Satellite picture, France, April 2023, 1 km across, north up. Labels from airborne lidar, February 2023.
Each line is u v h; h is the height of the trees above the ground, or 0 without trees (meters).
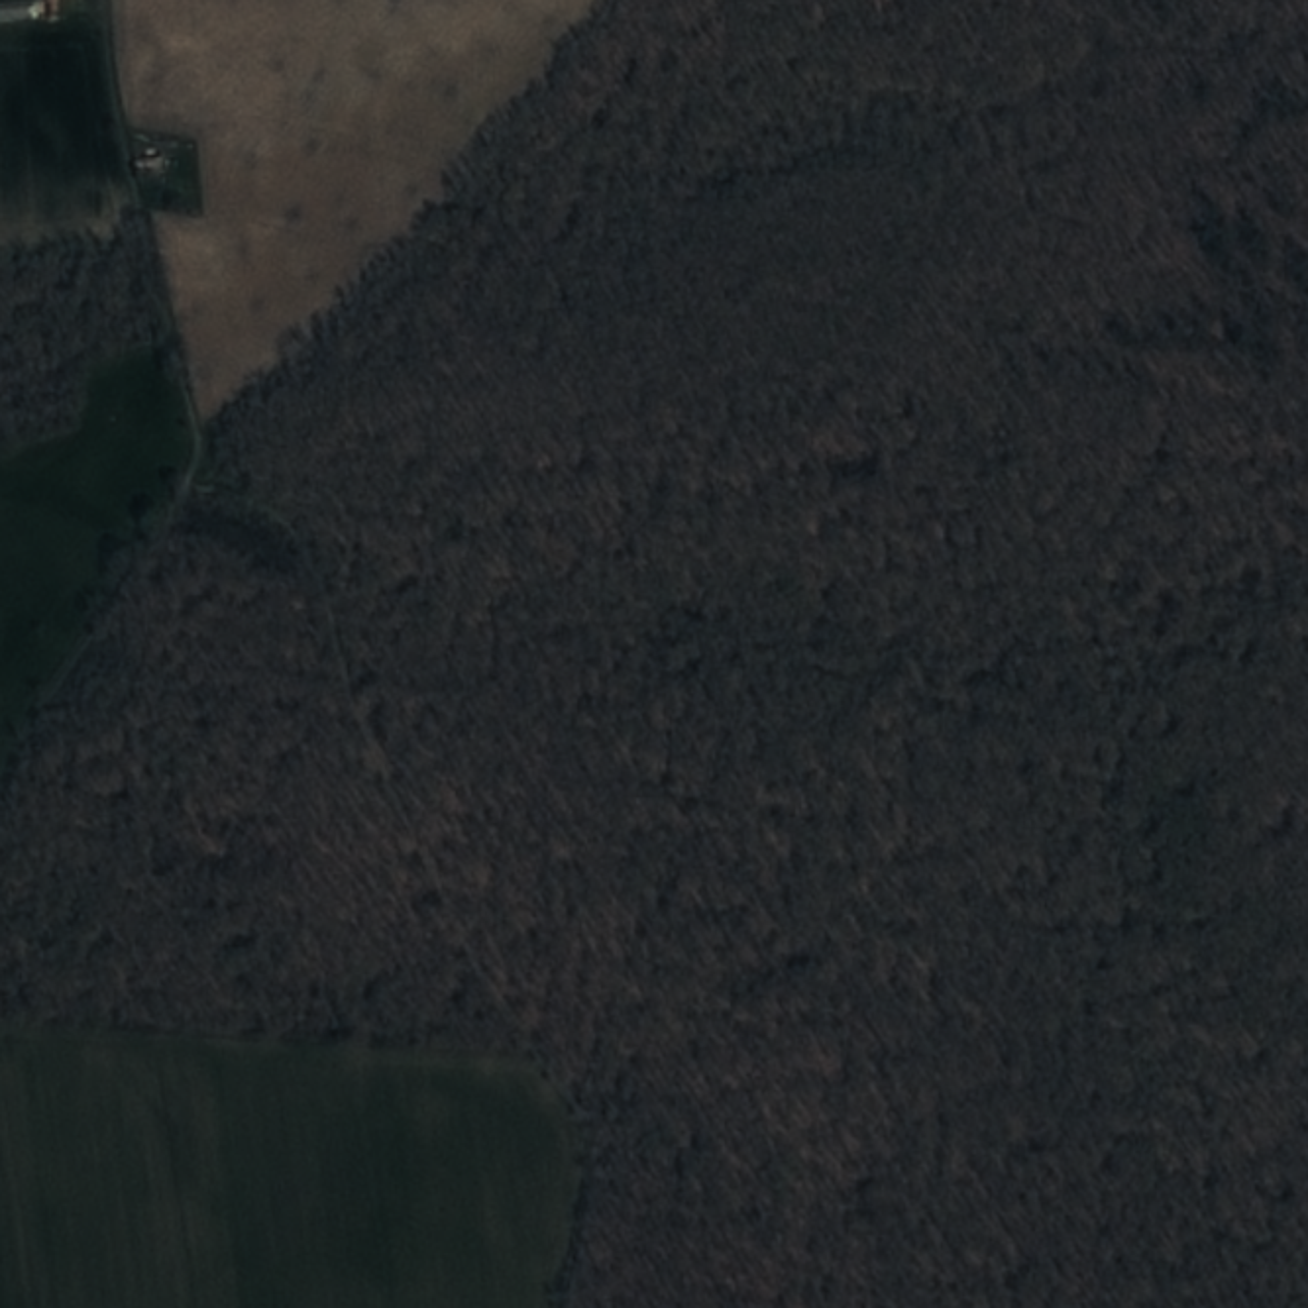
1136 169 16
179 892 23
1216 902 18
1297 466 20
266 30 0
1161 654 9
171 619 22
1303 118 22
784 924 28
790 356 15
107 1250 0
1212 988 23
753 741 24
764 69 23
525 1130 0
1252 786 16
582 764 22
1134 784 22
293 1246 0
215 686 19
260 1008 23
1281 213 27
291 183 0
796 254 17
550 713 19
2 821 19
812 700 25
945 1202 24
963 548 21
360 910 25
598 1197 17
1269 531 24
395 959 19
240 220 0
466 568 15
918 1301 23
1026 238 23
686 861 24
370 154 0
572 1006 21
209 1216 0
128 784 18
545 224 22
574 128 23
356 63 0
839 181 23
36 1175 0
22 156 0
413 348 21
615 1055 14
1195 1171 26
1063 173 17
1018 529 21
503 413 22
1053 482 22
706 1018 22
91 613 20
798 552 20
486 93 0
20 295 14
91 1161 0
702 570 25
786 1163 20
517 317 18
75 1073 0
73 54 0
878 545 27
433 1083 0
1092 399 23
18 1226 0
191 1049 0
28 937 19
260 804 18
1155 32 24
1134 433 20
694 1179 19
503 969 22
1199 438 21
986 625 19
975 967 26
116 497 0
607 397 24
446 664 12
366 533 24
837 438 26
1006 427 24
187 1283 0
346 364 23
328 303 0
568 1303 20
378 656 21
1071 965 27
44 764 19
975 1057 24
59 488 0
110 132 15
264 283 0
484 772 22
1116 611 16
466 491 19
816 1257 24
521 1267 0
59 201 0
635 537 22
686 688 18
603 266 20
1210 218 29
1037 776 21
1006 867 26
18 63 0
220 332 0
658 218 21
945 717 26
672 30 23
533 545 26
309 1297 0
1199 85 19
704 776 24
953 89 21
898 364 21
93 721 18
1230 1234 24
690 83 21
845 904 25
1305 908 20
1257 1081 22
